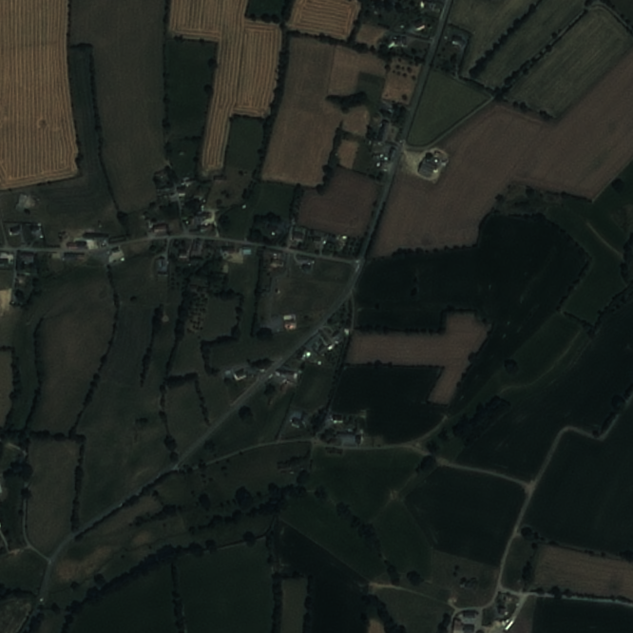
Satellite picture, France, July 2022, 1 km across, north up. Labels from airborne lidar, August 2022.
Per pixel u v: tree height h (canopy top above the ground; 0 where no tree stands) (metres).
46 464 0
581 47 0
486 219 8
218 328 0
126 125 0
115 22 0
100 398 0
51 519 0
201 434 0
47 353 0
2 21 0
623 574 0
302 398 0
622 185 15
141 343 0
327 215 0
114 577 0
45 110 0
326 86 0
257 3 0
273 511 22
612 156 0
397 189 0
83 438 12
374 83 0
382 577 0
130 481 0
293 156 0
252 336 8
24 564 0
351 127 0
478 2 0
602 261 0
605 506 0
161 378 0
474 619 0
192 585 0
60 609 12
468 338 0
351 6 0
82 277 0
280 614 12
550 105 0
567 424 0
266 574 0
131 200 0
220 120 0
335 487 0
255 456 0
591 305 0
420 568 0
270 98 0
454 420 0
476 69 10
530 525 0
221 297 11
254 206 0
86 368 0
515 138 0
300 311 0
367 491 0
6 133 0
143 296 0
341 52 0
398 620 0
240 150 0
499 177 0
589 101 0
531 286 0
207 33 0
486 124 0
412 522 0
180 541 0
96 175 0
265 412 0
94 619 0
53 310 0
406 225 0
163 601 0
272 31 0
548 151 0
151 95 0
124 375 0
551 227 6
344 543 0
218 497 0
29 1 0
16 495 0
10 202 0
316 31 0
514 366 19
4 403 0
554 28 0
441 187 0
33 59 0
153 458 0
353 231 0
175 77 0
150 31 0
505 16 0
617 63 0
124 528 0
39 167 0
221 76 0
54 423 0
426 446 0
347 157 0
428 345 0
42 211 0
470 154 0
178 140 0
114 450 0
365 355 0
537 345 0
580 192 0
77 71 0
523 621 0
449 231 0
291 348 0
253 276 0
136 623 0
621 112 0
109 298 0
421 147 0
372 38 0
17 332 0
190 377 13
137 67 0
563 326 0
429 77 0
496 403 13
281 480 0
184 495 0
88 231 0
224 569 0
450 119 0
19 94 0
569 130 0
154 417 0
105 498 0
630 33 9
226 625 0
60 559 0
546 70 0
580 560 0
